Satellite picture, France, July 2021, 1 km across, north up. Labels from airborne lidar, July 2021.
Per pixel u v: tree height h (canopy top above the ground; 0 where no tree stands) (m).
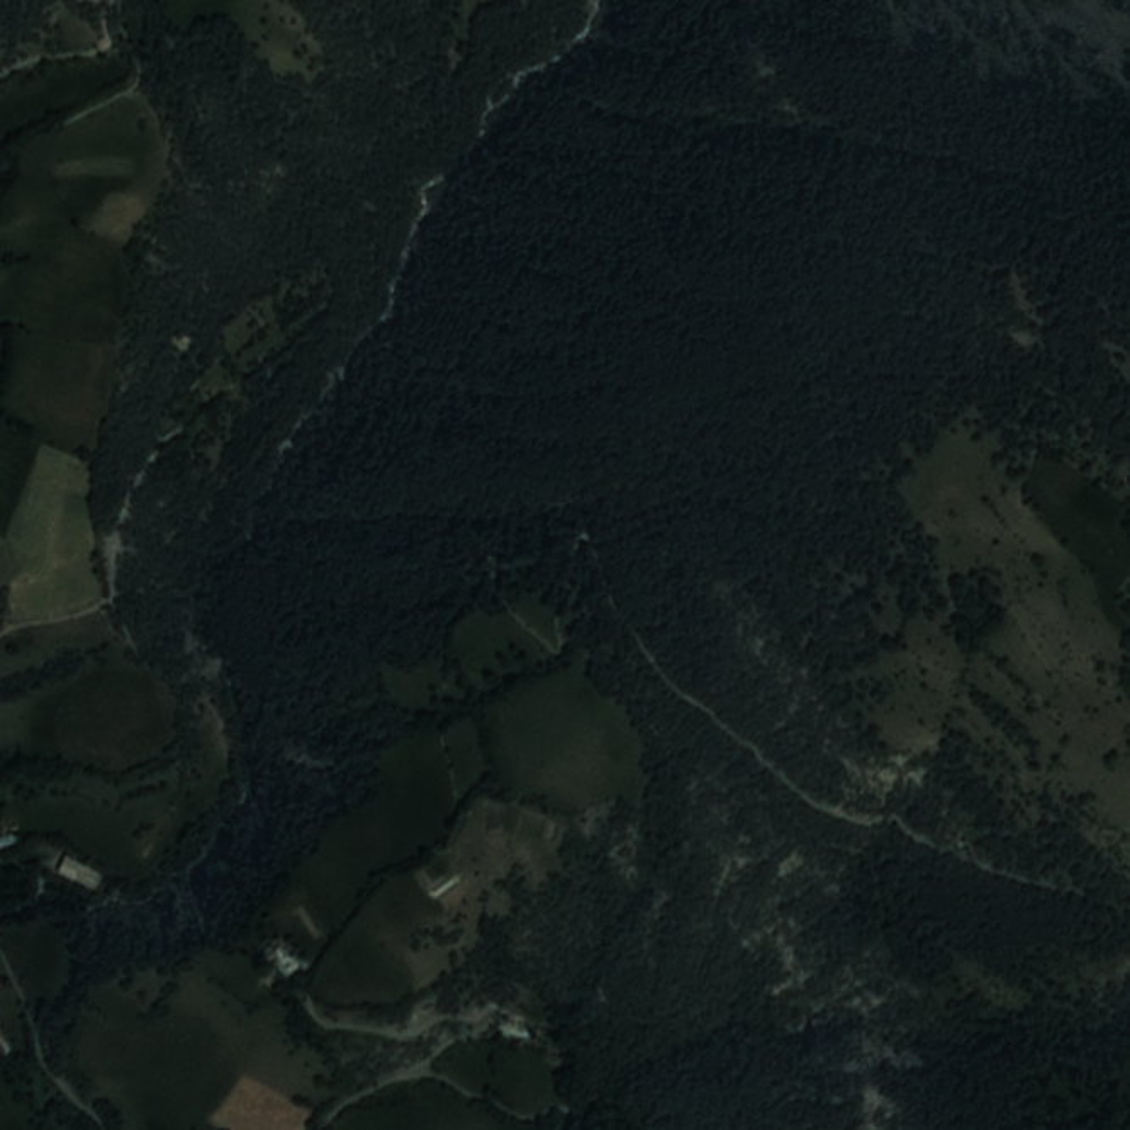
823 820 7
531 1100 0
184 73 11
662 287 19
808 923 7
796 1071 7
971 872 8
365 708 11
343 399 13
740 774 8
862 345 17
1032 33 10
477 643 0
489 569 9
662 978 8
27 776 9
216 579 13
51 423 0
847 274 16
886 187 18
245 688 10
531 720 0
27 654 0
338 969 0
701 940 8
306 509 9
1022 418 7
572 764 0
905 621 7
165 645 9
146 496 11
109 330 0
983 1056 16
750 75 9
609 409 15
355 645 18
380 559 8
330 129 7
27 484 0
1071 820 6
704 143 9
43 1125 8
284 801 6
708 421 12
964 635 13
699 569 12
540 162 20
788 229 20
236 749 8
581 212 15
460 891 0
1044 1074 15
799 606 15
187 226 8
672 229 20
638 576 17
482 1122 0
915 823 9
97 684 0
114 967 8
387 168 13
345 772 12
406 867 10
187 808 0
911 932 14
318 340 14
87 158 0
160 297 9
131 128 0
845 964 7
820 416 16
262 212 7
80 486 0
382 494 11
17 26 9
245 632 13
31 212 0
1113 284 11
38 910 18
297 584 13
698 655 12
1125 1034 29
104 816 0
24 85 11
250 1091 0
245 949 10
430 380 8
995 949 13
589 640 13
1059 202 14
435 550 9
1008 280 10
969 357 14
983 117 12
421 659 15
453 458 15
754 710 7
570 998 7
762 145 8
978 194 15
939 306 10
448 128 11
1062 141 19
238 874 14
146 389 8
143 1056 0
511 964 8
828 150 19
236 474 6
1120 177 14
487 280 15
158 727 0
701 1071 9
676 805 12
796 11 11
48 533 0
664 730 6
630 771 0
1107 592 0
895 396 17
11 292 0
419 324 9
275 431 14
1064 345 14
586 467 11
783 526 15
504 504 12
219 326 12
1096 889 9
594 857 9
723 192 18
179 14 0
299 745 6
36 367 0
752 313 17
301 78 8
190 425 7
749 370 14
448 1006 7
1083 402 17
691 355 18
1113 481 9
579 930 6
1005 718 7
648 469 14
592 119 11
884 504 10
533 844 0
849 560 14
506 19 14
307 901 0
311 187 8
